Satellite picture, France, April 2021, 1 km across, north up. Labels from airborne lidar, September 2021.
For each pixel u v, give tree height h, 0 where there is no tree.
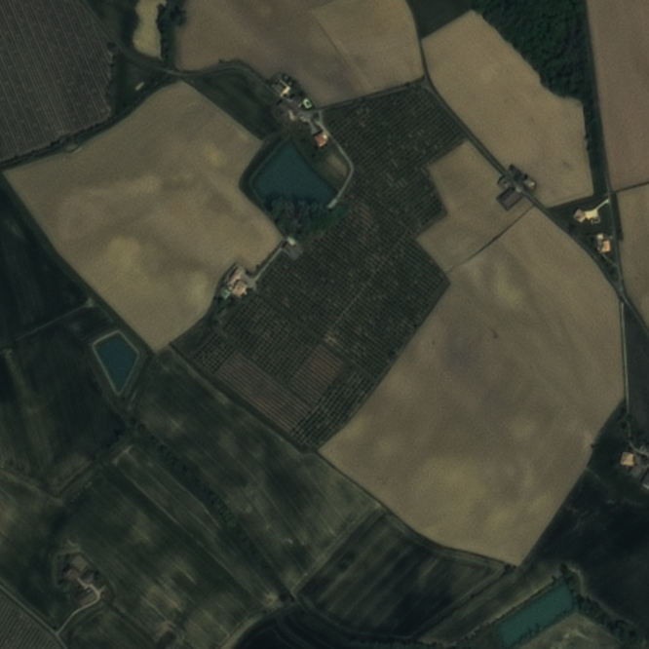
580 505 0
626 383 0
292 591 0
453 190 0
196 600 0
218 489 0
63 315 0
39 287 0
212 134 0
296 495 0
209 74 0
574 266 0
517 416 0
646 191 0
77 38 6
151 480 0
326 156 0
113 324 0
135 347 0
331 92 0
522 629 0
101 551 0
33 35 6
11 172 0
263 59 0
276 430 0
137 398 0
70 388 0
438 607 0
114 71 14
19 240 0
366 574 0
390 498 0
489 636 0
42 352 0
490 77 0
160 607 0
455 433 0
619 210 0
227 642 0
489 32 0
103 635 0
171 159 0
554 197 0
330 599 0
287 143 0
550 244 0
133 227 0
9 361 0
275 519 0
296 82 7
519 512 0
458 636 0
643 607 0
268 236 0
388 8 0
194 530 0
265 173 0
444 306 0
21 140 7
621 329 0
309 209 23
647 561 0
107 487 0
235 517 7
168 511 0
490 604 0
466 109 0
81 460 0
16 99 6
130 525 0
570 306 0
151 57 0
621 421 8
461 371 0
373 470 0
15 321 0
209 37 0
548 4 26
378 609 0
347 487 0
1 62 6
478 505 0
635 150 0
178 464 11
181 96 0
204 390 0
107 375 0
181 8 0
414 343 0
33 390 0
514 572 11
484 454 0
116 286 0
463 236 0
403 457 0
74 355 0
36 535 0
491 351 0
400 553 0
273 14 0
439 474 0
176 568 0
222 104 0
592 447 7
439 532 0
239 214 0
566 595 0
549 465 0
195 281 0
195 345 0
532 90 0
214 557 0
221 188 0
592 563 0
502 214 0
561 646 0
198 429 0
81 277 0
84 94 7
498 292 0
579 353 0
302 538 0
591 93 8
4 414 0
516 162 0
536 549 0
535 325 0
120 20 0
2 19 7
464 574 0
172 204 0
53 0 7
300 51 0
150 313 0
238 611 0
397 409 0
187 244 0
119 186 0
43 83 6
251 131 0
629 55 0
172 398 0
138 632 0
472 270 0
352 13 0
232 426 0
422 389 0
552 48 18
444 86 0
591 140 9
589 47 8
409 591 0
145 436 9
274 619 0
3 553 0
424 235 0
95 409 0
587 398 0
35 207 0
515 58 0
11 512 0
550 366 0
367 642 8
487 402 0
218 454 0
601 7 0
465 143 0
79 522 0
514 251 0
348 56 0
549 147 0
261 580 0
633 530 0
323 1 0
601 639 0
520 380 0
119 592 0
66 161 0
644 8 0
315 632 0
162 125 0
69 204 0
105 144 0
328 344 0
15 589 0
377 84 0
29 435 0
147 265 0
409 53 0
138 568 0
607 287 0
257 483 0
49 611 0
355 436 0
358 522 0
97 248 0
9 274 0
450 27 0
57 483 0
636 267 0
